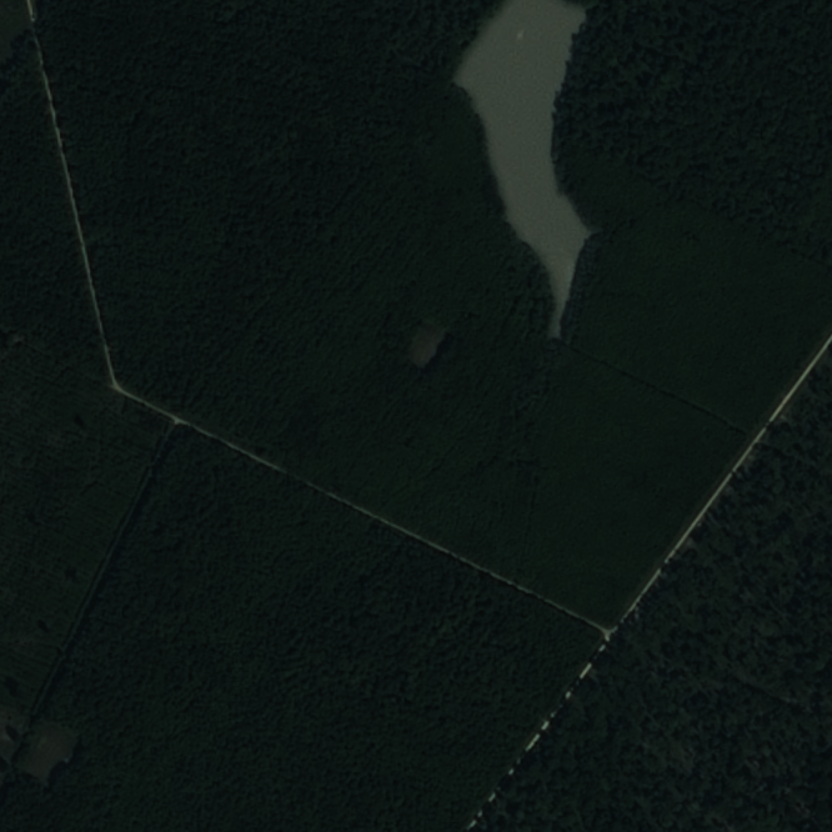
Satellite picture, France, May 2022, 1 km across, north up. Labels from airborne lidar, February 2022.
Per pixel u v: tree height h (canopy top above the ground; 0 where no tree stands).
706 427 9
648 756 24
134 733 21
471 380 15
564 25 0
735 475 0
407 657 26
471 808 16
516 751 14
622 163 18
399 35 27
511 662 22
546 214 0
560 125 10
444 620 23
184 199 18
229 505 20
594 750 24
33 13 0
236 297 21
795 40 26
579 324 14
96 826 20
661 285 11
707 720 21
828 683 27
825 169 24
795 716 25
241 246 21
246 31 18
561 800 27
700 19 26
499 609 20
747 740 22
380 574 23
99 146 16
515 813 28
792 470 28
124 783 18
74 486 7
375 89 18
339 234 18
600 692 25
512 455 9
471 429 14
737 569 24
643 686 25
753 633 21
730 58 25
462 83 0
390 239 17
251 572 19
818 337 11
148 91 23
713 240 13
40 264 21
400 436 16
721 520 22
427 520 0
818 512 0
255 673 18
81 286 19
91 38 0
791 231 20
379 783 21
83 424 26
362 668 22
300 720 18
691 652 24
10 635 6
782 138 23
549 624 18
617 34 27
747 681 0
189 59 23
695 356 11
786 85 21
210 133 19
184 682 20
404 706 19
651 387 9
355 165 18
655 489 12
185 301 20
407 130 0
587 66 22
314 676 24
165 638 21
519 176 0
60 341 20
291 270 19
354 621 25
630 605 0
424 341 0
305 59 18
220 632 20
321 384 17
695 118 22
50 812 22
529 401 18
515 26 0
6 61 0
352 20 26
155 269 18
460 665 19
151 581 23
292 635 21
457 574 21
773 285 9
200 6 23
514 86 0
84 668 21
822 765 27
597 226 11
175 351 23
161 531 26
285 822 22
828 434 0
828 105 24
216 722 19
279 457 19
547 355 19
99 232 20
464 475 13
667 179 20
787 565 24
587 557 0
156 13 19
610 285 13
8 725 0
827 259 21
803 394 0
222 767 19
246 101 19
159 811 18
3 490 9
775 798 26
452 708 20
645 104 24
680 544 0
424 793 20
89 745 15
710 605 23
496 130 0
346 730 21
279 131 23
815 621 23
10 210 16
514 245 17
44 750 0
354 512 15
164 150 21
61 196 17
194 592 18
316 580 21
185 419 0
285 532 17
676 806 26
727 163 20
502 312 13
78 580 26
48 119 17
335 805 21
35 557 6
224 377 19
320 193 19
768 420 0
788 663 23
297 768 19
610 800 16
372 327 14
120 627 21
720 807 25
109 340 17
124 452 6
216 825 18
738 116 19
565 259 0
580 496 0
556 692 16
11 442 7
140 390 18
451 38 24
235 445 0
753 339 13
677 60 29
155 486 16
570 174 11
